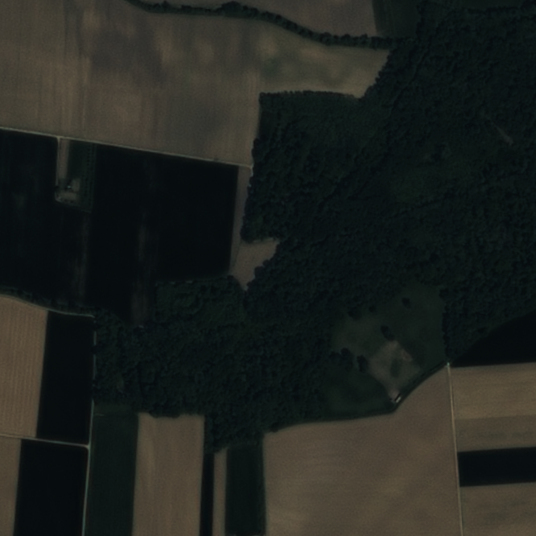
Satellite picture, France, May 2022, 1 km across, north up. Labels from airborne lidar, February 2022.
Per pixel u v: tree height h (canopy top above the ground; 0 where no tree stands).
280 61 0
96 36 0
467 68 20
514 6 0
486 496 0
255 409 27
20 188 0
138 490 0
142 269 0
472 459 0
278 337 20
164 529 0
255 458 0
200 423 0
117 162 0
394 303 0
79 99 0
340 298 22
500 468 0
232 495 0
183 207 0
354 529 0
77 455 0
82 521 0
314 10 0
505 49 20
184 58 0
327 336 14
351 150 26
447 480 0
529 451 0
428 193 8
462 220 23
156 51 0
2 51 0
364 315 0
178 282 0
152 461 0
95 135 0
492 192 25
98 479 0
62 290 0
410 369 0
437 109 21
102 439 0
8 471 0
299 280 14
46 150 0
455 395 0
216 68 0
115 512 0
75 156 0
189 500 0
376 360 0
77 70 0
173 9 7
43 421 0
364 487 0
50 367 0
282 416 7
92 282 0
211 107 0
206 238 0
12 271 0
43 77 0
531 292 11
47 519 0
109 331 26
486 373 0
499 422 0
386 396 0
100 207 0
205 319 20
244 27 0
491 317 22
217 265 0
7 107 0
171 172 0
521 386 0
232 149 0
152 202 0
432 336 0
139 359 22
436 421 0
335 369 0
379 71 0
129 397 27
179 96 0
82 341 0
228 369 27
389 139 19
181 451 0
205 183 0
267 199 23
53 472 0
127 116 0
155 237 0
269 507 0
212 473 0
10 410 0
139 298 0
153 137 0
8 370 0
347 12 0
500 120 16
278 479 0
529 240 20
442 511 0
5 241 0
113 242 0
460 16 26
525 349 0
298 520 0
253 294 14
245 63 0
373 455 0
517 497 0
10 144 0
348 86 0
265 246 0
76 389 0
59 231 0
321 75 0
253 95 0
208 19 0
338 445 0
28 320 0
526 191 22
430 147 0
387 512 0
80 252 0
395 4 0
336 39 9
